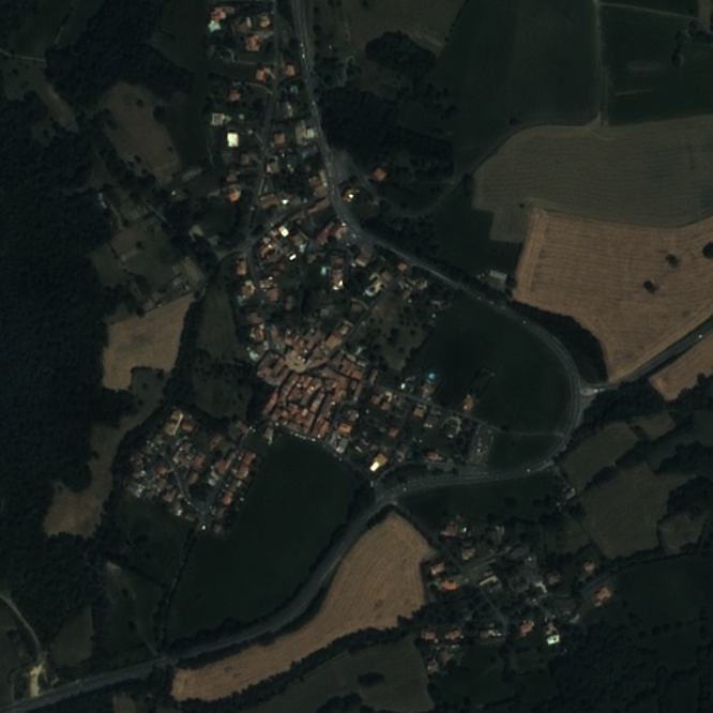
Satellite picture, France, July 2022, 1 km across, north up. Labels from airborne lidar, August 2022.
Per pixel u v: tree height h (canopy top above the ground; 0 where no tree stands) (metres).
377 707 0
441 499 0
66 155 21
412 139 13
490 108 0
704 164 0
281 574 0
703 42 6
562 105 0
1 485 11
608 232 0
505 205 0
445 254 0
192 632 0
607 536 0
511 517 0
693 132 0
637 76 0
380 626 0
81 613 7
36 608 13
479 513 0
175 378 11
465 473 0
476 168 0
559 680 18
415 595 0
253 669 0
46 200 19
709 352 0
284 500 0
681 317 0
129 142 0
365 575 0
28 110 13
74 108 15
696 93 0
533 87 0
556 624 13
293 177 6
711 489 16
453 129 0
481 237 0
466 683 0
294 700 0
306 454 0
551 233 0
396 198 0
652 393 11
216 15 0
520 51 0
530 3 0
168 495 0
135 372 6
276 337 0
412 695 0
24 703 0
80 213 19
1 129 9
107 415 10
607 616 0
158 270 0
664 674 14
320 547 0
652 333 0
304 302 9
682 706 0
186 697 0
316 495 0
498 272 0
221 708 15
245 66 0
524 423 0
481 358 0
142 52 21
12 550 18
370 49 17
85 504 0
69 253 11
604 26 0
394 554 0
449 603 8
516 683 20
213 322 0
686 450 13
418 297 7
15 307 15
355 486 0
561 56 0
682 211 0
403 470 12
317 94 12
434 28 0
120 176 17
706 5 0
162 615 10
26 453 15
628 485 0
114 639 0
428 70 15
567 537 0
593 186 0
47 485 16
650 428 0
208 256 18
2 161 10
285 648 0
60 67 16
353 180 10
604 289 0
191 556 9
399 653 0
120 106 0
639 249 0
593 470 0
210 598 0
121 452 13
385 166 7
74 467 20
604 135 0
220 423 15
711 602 0
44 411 14
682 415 11
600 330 0
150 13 25
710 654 13
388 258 17
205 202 9
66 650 0
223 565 0
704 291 0
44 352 15
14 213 13
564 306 0
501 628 9
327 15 0
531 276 0
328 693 0
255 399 13
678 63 9
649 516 0
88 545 11
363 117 14
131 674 0
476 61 0
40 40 0
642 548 0
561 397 0
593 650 12
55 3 0
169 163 0
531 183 0
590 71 0
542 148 0
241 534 0
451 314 0
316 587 0
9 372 23
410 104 9
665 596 0
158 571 0
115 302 10
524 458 0
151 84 19
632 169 0
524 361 0
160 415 14
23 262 12
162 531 0
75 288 25
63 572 14
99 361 16
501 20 0
